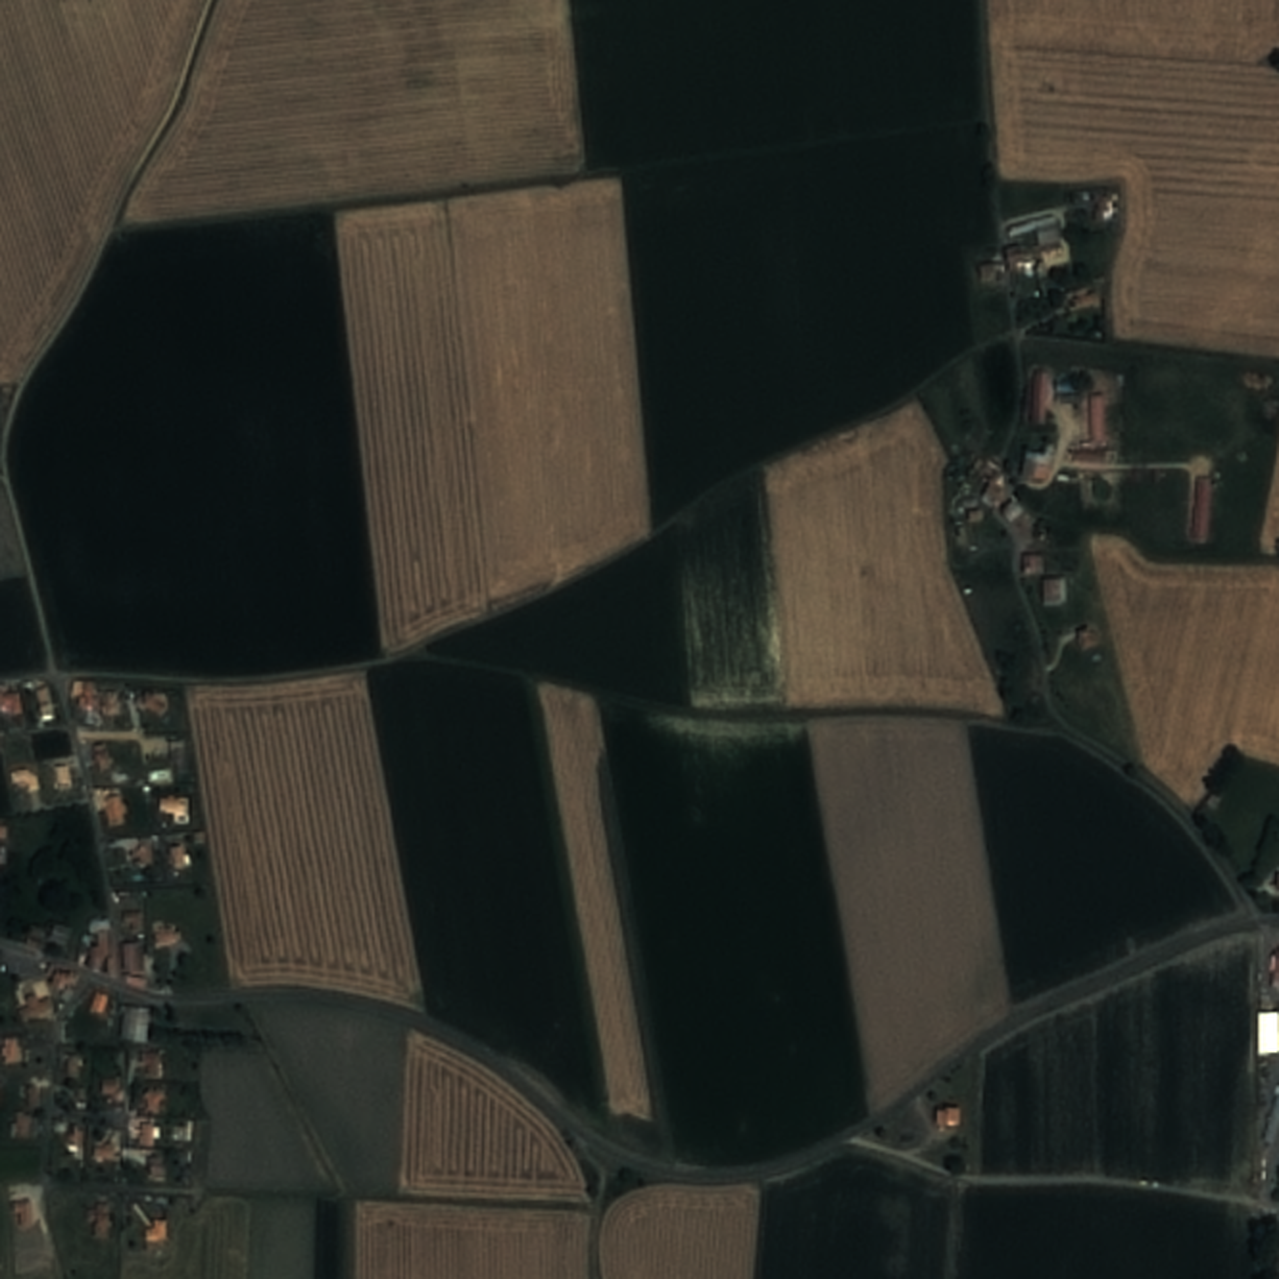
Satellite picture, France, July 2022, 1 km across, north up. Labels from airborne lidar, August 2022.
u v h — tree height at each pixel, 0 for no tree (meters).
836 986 0
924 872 0
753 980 0
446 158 0
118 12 0
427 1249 0
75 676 0
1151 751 0
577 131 0
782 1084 0
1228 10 0
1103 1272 0
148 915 0
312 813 0
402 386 0
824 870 0
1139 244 0
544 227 0
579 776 0
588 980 0
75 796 0
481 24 0
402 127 0
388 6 0
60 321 0
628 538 0
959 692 0
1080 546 0
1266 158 0
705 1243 0
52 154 0
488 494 0
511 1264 0
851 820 0
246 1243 0
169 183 0
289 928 0
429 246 0
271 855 0
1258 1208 0
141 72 0
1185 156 0
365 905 0
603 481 0
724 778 0
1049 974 0
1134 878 0
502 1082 0
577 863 0
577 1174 0
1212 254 0
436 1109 0
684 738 0
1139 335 0
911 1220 0
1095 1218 0
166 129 0
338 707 0
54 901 20
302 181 0
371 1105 0
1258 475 0
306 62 0
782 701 0
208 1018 0
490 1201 0
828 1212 0
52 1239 0
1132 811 0
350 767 0
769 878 0
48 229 0
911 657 0
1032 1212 0
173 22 0
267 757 0
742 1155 0
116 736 0
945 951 0
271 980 0
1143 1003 0
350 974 0
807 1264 0
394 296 0
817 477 0
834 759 0
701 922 0
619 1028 0
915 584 0
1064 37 0
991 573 0
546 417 0
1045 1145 0
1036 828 0
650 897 0
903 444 0
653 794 0
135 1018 0
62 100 0
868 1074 0
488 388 0
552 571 0
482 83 0
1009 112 0
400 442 0
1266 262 0
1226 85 0
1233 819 0
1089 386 12
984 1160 0
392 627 0
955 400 0
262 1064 0
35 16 0
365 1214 0
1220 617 0
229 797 0
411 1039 0
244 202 0
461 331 0
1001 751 0
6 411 0
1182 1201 0
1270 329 0
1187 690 0
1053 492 0
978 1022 0
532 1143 0
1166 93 0
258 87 0
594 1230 0
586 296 0
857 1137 0
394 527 0
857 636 0
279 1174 0
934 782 0
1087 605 0
